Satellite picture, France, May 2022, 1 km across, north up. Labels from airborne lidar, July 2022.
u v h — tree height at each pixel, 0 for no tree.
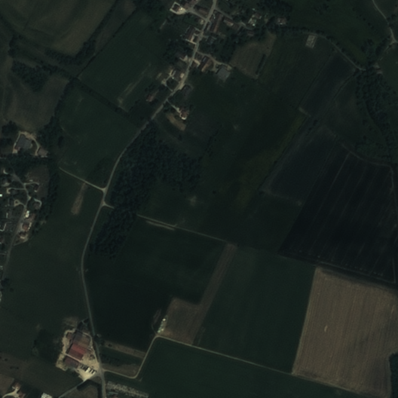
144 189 21
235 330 0
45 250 0
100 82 0
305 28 11
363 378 0
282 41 0
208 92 0
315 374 0
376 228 0
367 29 0
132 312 0
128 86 0
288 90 0
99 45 0
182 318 0
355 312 0
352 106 0
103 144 0
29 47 0
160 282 0
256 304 0
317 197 0
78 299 0
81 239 0
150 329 0
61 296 0
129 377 0
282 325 0
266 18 0
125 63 0
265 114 0
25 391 0
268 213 0
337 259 0
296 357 0
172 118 0
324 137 0
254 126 0
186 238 0
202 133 0
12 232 0
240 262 0
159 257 0
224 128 0
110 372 0
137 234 0
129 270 0
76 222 0
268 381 0
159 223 0
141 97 0
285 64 0
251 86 0
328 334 0
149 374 0
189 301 0
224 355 0
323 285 0
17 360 0
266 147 0
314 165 0
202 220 0
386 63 0
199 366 0
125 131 0
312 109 0
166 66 0
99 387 14
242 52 0
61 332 0
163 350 0
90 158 0
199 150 0
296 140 0
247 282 0
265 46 0
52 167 12
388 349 0
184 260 0
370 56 25
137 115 0
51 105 0
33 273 0
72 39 0
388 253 0
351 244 0
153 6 20
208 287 0
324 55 0
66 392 0
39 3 0
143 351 0
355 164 0
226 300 0
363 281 0
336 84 0
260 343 0
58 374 0
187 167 21
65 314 0
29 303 0
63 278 0
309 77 0
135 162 6
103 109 0
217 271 0
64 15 0
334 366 0
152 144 29
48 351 0
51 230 0
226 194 0
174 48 15
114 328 0
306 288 0
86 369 0
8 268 0
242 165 0
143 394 0
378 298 0
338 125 0
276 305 0
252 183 0
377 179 0
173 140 0
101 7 0
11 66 0
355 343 0
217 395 0
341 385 0
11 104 0
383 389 0
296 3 0
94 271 0
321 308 0
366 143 13
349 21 0
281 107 0
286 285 0
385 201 0
